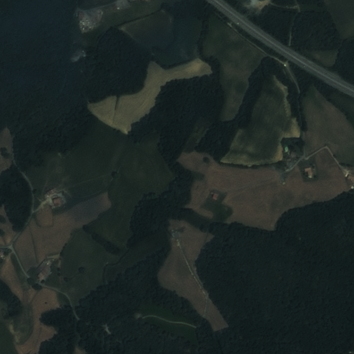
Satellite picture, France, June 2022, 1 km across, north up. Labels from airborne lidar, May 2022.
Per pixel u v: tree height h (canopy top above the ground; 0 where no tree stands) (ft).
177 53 0
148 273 70
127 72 68
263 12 49
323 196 0
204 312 0
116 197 0
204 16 50
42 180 0
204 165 0
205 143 55
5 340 0
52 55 86
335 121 0
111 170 0
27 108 63
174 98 61
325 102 0
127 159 0
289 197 0
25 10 71
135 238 71
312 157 0
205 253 73
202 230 63
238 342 82
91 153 0
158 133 27
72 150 29
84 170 0
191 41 0
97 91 85
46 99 72
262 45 37
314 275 68
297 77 32
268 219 0
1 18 59
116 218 0
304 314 93
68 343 46
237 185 0
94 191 0
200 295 0
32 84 50
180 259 0
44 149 66
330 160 0
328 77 0
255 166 32
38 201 0
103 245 47
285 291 79
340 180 0
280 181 0
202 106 60
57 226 0
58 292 0
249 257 72
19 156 62
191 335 0
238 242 74
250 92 63
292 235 46
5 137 0
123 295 89
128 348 79
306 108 0
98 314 81
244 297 72
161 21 0
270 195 0
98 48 45
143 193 0
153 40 0
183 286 0
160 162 0
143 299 68
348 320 95
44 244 0
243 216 0
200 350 44
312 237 28
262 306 75
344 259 52
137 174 0
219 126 60
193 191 0
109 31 42
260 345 72
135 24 0
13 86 75
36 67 72
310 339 84
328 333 85
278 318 80
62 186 0
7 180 80
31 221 0
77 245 0
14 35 62
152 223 74
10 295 86
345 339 80
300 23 71
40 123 73
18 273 0
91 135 0
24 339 0
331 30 40
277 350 70
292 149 74
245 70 0
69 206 0
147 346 84
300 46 54
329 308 86
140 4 0
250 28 0
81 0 38
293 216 60
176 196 88
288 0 73
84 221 0
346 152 0
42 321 75
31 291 0
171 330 0
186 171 35
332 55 0
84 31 0
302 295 78
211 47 0
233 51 0
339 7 0
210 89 19
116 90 73
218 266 92
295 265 85
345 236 31
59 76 70
